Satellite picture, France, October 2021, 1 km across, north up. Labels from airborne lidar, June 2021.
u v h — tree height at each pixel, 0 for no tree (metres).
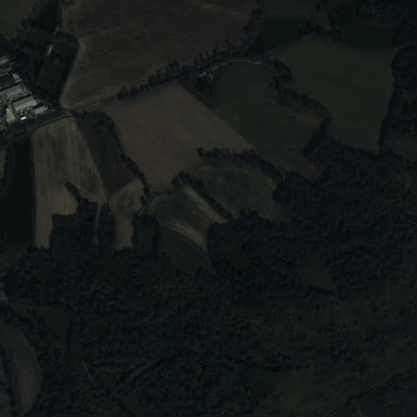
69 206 0
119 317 26
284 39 0
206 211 0
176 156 0
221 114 0
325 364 6
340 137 0
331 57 0
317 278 0
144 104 0
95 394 11
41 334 0
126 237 0
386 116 0
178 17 0
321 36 18
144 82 0
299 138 0
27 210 0
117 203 0
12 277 16
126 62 0
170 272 17
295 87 0
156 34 0
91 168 0
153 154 0
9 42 9
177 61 0
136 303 17
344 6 0
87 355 16
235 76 0
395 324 9
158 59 0
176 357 14
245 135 0
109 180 0
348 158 20
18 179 0
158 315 18
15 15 0
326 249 22
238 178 0
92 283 17
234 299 13
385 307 15
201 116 0
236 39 0
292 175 0
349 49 0
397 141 0
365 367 15
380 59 0
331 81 0
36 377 0
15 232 0
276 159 0
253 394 15
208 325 12
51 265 25
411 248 10
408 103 0
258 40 0
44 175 0
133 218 0
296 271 20
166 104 0
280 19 0
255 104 0
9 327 16
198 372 13
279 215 0
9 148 15
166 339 21
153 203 0
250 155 0
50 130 0
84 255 17
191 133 0
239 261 0
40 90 12
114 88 0
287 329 8
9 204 0
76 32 0
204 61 16
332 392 0
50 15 0
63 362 14
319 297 18
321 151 25
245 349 10
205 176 0
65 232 22
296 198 20
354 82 0
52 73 0
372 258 19
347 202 23
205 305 16
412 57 21
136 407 0
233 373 23
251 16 0
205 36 0
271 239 27
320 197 24
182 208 0
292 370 19
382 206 17
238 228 17
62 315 0
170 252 0
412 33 21
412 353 0
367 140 0
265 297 20
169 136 0
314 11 0
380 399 6
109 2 0
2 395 0
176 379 27
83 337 18
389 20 16
